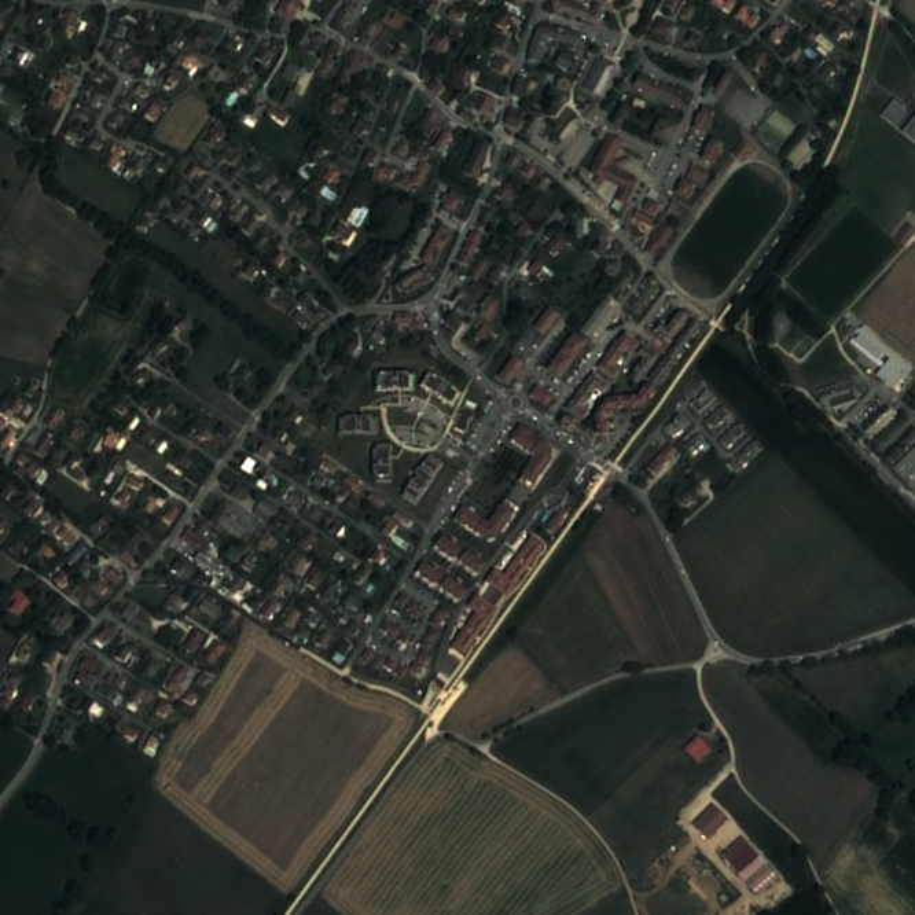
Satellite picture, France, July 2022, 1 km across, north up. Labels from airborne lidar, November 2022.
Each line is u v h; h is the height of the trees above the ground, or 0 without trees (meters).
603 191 0
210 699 0
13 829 0
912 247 0
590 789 0
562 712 0
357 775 0
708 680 0
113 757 0
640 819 0
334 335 9
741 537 0
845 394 0
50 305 0
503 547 0
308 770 0
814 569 0
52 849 0
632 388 10
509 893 0
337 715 0
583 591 0
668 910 0
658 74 0
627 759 0
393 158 0
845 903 0
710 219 0
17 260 0
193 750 0
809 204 13
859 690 0
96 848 19
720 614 0
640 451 0
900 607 0
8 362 0
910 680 0
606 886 0
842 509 0
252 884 0
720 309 0
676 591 0
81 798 0
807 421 11
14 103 0
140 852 0
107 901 0
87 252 0
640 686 0
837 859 0
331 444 0
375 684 0
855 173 0
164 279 0
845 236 0
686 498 0
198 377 0
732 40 10
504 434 0
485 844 0
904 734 0
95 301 9
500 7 6
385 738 0
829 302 0
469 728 0
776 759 0
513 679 0
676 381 0
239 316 15
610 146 0
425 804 0
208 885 0
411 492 0
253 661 0
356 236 0
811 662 12
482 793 0
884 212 0
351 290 22
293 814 0
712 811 0
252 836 0
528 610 0
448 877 0
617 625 0
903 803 0
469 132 15
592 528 0
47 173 14
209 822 0
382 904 0
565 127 0
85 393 0
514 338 8
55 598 10
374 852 0
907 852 0
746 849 0
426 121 0
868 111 0
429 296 0
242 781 0
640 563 0
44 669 0
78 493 0
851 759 22
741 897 0
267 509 0
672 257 0
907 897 0
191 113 0
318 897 0
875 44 0
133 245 17
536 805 0
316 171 6
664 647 0
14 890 0
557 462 0
